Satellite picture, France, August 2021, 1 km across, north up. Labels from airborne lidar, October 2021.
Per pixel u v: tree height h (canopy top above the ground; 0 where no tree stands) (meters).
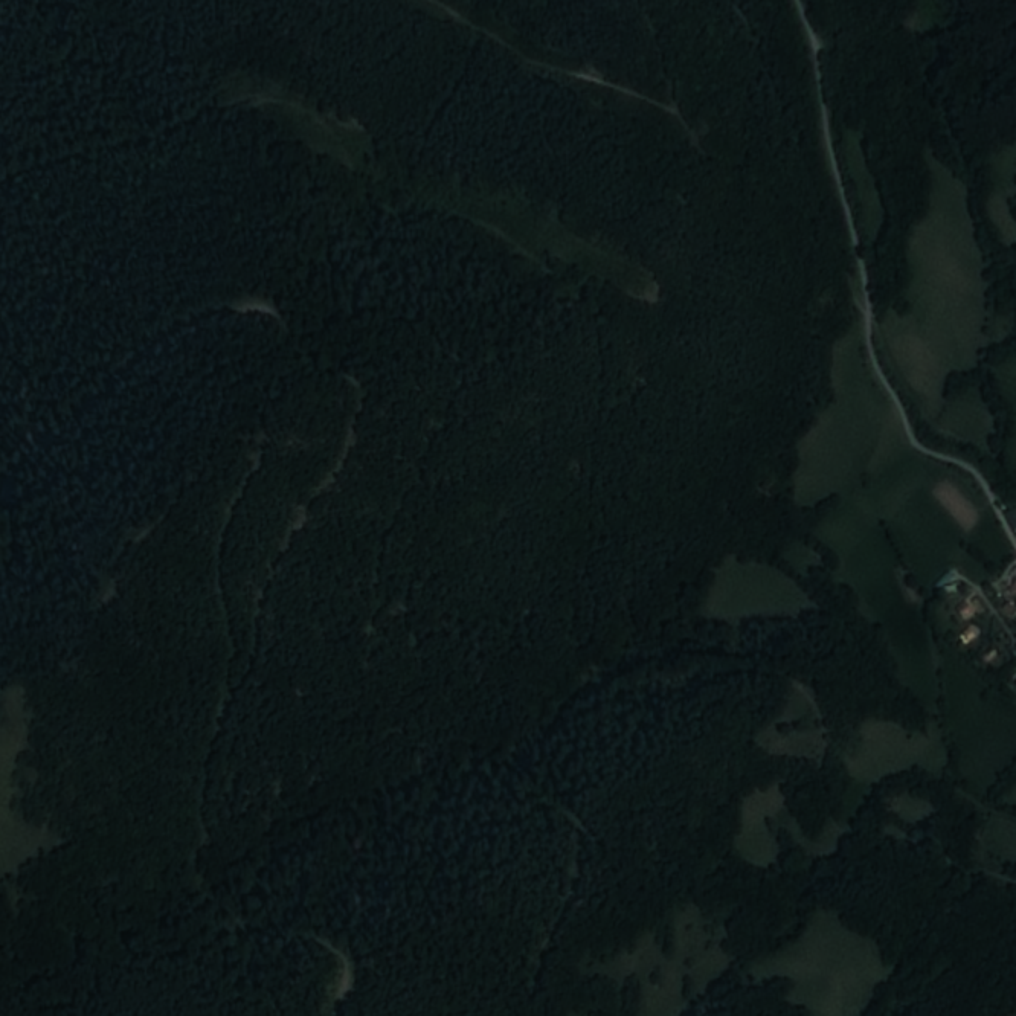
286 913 15
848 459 0
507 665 23
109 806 10
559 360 21
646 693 16
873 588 0
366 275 21
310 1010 21
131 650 26
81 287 21
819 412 7
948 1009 17
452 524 14
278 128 14
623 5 13
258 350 19
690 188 19
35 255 24
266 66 12
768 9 15
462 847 7
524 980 17
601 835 28
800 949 0
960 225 0
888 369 11
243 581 17
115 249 15
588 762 35
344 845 11
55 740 19
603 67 11
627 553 25
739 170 15
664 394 18
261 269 12
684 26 8
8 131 30
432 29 24
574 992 14
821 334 13
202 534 17
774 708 16
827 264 21
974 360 0
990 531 0
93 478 9
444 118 32
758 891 21
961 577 0
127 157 13
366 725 29
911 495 0
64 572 17
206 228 19
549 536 19
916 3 31
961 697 0
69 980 24
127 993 31
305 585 16
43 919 18
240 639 18
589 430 12
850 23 20
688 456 20
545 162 27
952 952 21
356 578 18
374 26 29
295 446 9
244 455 12
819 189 19
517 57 15
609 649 18
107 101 22
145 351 8
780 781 9
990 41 28
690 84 14
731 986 21
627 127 13
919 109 11
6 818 0
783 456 20
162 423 18
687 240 14
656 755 19
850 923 15
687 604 15
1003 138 20
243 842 25
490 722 26
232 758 26
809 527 12
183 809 23
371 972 26
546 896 21
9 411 32
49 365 13
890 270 18
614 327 16
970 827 16
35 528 28
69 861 18
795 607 0
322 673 21
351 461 14
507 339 11
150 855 16
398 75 24
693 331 24
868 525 0
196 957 29
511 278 26
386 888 10
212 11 22
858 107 21
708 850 26
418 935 21
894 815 10
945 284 0
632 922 25
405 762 27
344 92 27
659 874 12
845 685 18
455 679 27
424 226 20
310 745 22
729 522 22
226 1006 23
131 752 16
